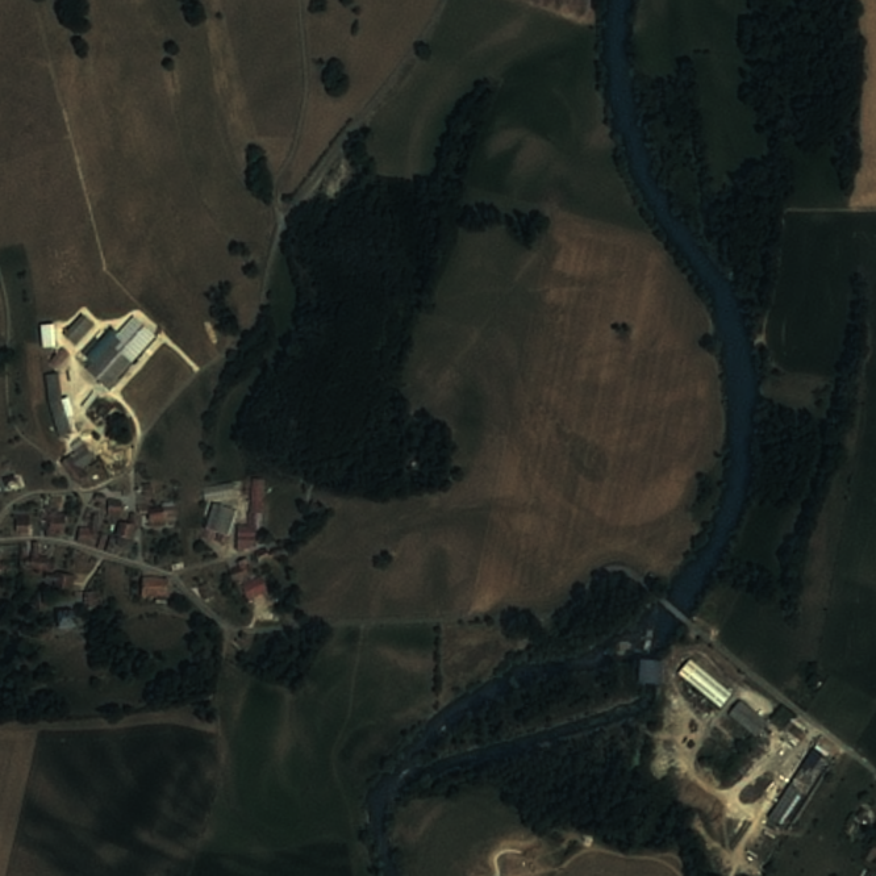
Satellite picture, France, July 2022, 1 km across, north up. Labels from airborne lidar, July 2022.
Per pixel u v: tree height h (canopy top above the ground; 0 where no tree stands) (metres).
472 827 0
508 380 0
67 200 0
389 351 21
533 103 0
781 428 27
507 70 0
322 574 0
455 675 0
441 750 25
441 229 30
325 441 11
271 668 11
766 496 19
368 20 0
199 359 0
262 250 0
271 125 0
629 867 0
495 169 0
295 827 0
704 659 0
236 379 16
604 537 0
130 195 0
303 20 0
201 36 0
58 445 0
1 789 0
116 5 0
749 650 0
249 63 0
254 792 0
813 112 23
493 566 0
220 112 0
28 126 0
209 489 0
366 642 0
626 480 0
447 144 15
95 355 0
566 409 0
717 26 0
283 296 0
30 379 0
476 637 0
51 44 0
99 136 0
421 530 0
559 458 0
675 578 0
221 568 0
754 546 0
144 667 27
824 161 0
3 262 0
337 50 0
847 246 0
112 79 0
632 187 10
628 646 0
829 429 22
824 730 0
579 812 33
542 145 0
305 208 14
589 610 34
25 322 0
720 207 19
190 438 0
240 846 0
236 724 0
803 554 19
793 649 0
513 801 15
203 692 15
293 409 11
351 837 0
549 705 17
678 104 24
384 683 0
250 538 0
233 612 0
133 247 0
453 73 0
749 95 20
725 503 0
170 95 0
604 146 0
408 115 0
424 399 0
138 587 8
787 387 0
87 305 0
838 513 0
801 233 0
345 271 12
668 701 0
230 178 0
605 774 14
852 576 0
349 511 0
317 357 17
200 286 0
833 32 23
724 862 0
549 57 0
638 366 0
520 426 0
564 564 0
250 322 0
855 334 22
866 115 0
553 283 0
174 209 0
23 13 0
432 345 0
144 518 0
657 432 0
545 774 29
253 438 16
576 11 0
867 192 0
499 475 0
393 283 16
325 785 0
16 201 0
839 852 0
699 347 0
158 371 0
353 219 10
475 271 0
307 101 0
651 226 12
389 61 0
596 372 0
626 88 0
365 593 0
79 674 0
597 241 0
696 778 0
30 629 20
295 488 0
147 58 0
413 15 0
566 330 0
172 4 0
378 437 25
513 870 0
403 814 0
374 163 18
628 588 33
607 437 0
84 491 0
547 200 0
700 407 0
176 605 17
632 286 0
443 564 0
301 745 0
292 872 0
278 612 8
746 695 0
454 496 0
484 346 0
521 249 0
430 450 28
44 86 0
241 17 0
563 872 0
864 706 0
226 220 0
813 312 0
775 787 0
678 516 0
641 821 24
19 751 0
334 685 0
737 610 0
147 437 0
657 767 0
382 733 0
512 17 0
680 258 11
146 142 0
